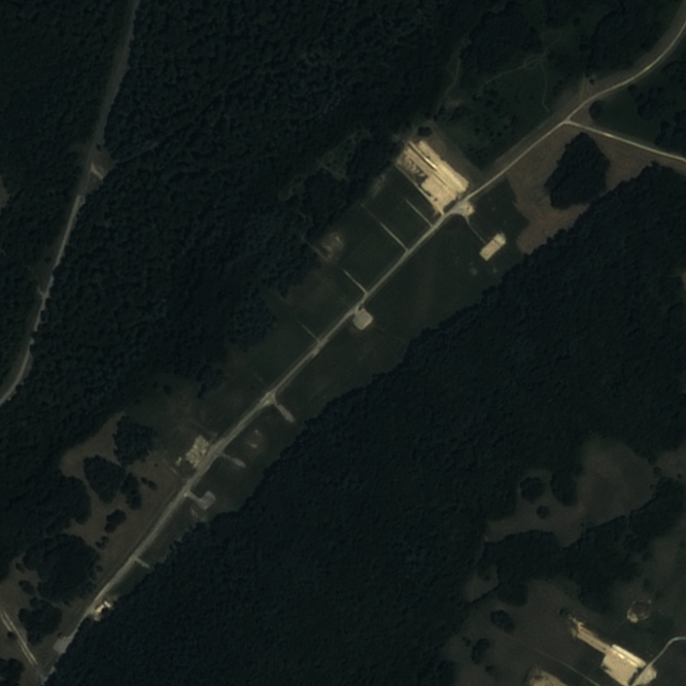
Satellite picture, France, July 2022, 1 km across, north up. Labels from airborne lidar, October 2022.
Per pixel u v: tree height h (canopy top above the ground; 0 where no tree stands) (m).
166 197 28
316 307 0
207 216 29
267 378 0
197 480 0
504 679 0
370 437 22
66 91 14
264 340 15
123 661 18
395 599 10
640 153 0
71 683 22
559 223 0
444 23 18
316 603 19
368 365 0
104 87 13
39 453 20
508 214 0
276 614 19
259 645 12
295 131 7
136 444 18
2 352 17
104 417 21
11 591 0
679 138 22
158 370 17
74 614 0
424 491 22
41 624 15
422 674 12
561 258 20
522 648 0
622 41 19
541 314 12
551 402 16
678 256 10
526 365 16
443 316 0
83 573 21
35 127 20
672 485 14
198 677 15
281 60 17
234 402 0
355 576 18
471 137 0
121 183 21
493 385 19
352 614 18
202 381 17
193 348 21
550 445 14
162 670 19
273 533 22
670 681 0
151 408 0
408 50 18
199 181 29
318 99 29
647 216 23
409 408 22
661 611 0
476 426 15
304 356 0
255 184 24
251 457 0
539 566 15
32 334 0
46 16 24
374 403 21
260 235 25
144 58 25
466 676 0
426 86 26
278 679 7
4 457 7
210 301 23
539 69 0
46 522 25
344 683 14
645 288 16
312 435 13
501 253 0
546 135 0
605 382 18
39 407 15
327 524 19
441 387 21
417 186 0
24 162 22
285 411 0
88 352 26
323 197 23
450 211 0
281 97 25
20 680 12
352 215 0
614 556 10
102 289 25
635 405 16
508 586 14
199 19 32
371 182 15
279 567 25
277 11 23
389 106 7
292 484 26
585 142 18
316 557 23
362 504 15
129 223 22
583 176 25
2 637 0
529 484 11
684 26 0
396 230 0
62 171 15
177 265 23
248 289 12
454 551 11
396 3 27
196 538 20
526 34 22
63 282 31
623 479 0
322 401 0
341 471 16
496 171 0
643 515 9
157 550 0
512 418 20
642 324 19
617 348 16
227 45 27
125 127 16
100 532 0
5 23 21
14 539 20
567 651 0
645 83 0
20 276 13
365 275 0
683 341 18
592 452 0
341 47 25
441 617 14
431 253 0
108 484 17
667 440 13
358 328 0
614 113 0
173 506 0
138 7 0
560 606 0
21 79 14
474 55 22
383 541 20
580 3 16
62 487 17
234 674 12
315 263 18
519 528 0
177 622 14
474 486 16
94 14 27
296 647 19
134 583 0
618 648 0
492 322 21
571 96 0
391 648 15
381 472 23
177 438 0
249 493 0
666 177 14
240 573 26
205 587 23
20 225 8
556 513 0
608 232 19
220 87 21
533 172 0
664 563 0
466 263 0
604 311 21
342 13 29
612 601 0
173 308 25
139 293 26
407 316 0
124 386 25
